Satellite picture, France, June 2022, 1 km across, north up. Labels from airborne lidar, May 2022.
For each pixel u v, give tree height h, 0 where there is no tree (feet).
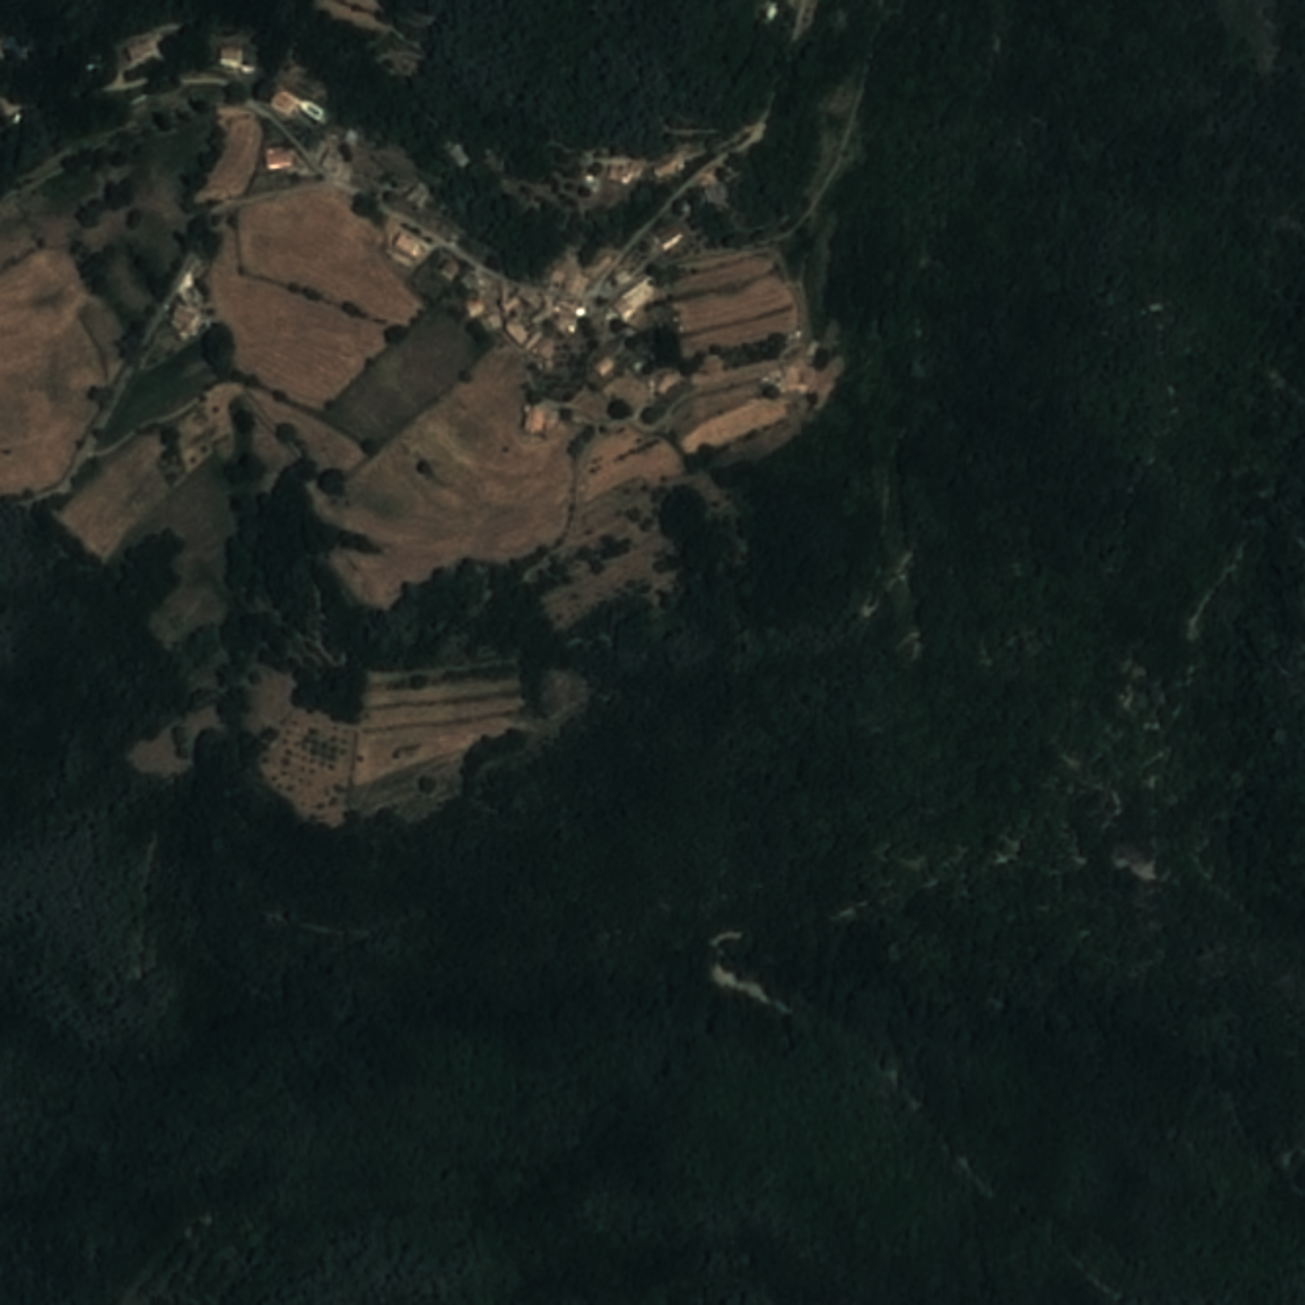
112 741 50
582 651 51
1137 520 42
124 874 47
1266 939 34
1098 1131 57
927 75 51
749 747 41
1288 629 53
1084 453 46
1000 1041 63
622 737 44
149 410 0
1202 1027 32
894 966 73
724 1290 37
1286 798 49
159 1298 23
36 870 59
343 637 40
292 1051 34
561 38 43
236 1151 44
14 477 0
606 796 46
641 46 32
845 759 42
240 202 0
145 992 64
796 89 36
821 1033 47
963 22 38
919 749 37
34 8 57
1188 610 52
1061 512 36
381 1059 60
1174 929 39
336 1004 58
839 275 52
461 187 32
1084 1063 68
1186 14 19
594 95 33
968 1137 58
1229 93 44
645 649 58
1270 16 34
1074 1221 61
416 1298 46
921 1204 42
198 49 50
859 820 31
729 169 19
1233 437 32
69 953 67
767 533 58
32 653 42
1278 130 33
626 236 20
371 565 0
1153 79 34
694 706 48
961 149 26
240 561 61
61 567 32
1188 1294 49
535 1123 56
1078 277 43
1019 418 49
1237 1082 43
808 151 22
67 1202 59
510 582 43
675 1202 36
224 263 0
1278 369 61
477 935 43
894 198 34
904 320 41
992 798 47
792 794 38
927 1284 51
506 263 36
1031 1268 45
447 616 49
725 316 0
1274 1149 59
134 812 52
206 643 47
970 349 53
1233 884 52
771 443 0
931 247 26
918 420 32
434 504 0
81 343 0
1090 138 49
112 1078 71
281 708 0
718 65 25
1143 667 47
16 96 48
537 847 32
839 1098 57
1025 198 37
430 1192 38
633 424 0
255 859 46
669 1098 63
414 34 49
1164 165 52
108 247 21
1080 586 35
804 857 55
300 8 54
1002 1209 44
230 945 49
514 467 0
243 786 46
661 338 49
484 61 54
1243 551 39
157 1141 40
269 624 49
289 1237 44
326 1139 48
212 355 53
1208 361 55
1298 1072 30
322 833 43
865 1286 45
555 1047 60
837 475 24
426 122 31
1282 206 26
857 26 33
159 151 0
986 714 43
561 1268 46
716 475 30
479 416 0
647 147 50
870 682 60
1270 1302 52
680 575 28
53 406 0
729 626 54
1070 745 27
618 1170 54
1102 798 24
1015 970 50
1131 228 26
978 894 54
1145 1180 57
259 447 0
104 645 45
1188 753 33
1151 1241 57
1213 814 32
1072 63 50
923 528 57
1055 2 43
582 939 36
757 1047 43
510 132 38
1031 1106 61
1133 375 49
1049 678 36
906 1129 33
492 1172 43
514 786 44
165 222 0
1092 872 36
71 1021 58
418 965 43
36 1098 40
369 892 41
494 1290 39
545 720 34
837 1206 38
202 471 0
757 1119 45
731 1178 50
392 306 0
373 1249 64
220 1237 27
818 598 32
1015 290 68
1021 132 44
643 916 32
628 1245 51
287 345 0
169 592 34
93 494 0
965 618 47
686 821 39
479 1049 49
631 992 50
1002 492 59
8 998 55
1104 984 38
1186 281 44
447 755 0
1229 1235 40
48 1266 53
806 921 66
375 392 0
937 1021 68
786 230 22
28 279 0
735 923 34
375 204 30
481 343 19
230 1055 64
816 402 28
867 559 38
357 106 43
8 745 54
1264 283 29
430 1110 30
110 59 46
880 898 20
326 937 34
